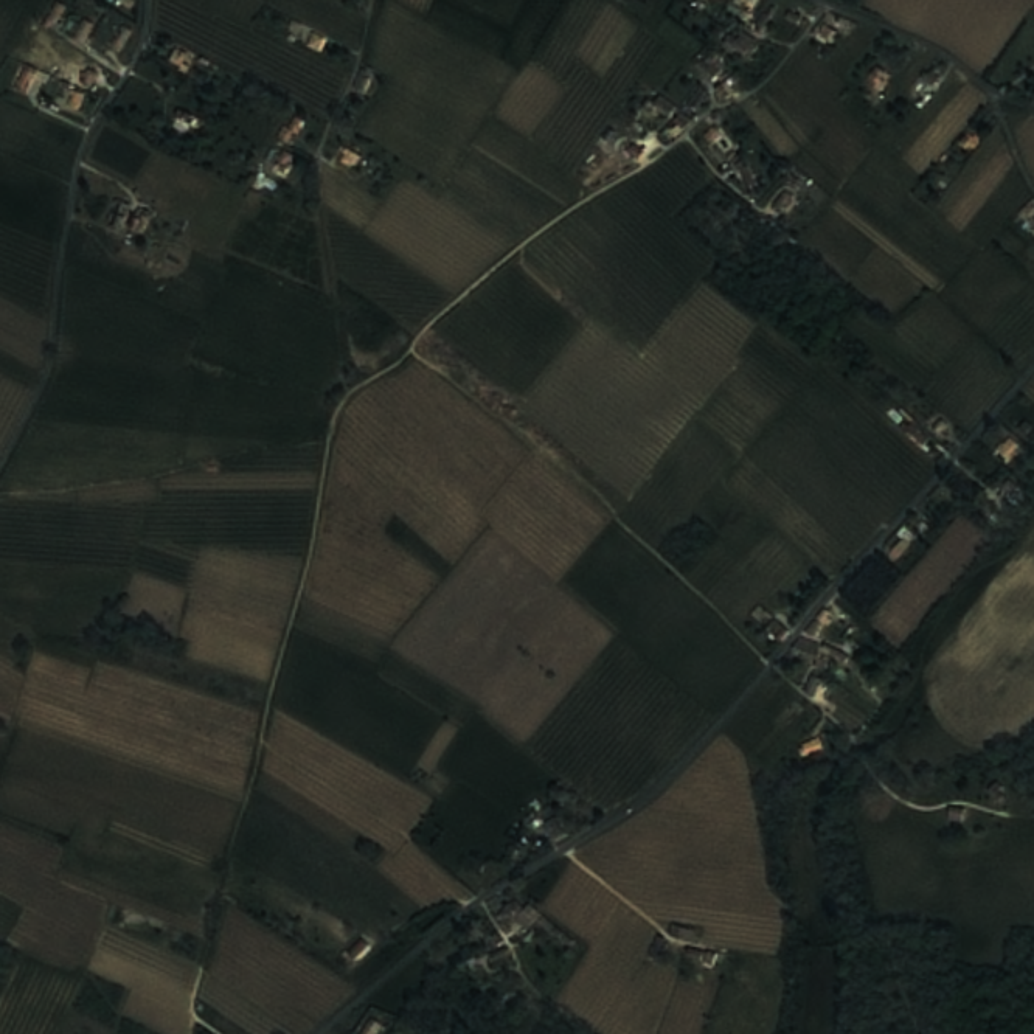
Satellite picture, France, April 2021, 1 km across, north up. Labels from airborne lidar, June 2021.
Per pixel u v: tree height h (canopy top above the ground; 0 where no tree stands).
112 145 0
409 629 0
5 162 0
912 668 8
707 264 0
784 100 0
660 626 0
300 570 0
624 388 0
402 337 0
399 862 0
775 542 0
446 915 6
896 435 0
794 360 0
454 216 0
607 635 0
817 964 0
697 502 0
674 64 0
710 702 0
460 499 0
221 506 0
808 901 0
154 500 0
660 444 0
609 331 0
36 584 0
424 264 0
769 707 0
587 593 0
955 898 0
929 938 15
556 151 0
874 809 0
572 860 0
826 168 0
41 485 0
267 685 0
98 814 0
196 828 0
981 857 0
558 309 0
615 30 0
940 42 0
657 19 0
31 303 0
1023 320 0
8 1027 0
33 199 0
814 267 18
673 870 0
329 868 0
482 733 0
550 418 0
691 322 0
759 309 8
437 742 0
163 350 0
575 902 0
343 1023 0
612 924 0
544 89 0
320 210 16
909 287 0
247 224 0
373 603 0
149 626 17
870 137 0
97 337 0
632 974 0
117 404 0
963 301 0
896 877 0
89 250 0
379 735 0
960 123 0
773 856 22
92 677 0
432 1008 16
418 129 0
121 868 0
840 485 0
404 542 0
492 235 0
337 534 0
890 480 0
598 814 9
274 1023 0
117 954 0
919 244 0
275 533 0
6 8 0
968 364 0
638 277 0
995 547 9
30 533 0
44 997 0
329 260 0
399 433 0
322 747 0
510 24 0
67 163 0
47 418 0
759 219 6
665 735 0
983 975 7
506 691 0
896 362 0
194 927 0
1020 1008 19
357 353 0
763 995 0
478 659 0
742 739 0
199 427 0
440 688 0
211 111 11
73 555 0
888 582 10
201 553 0
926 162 0
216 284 0
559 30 0
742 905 0
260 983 0
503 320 0
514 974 16
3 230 0
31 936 0
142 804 0
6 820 0
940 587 0
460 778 0
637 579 0
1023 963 9
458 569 0
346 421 0
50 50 0
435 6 0
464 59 0
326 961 0
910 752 0
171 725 0
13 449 0
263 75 0
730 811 0
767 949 0
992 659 0
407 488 0
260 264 0
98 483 0
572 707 0
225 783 0
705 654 0
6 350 0
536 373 0
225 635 0
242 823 0
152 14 0
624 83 0
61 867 0
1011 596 0
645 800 0
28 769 0
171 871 0
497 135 0
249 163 9
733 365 0
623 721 0
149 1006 0
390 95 0
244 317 0
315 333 0
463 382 0
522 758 0
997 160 0
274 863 0
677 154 0
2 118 0
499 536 0
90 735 0
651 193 0
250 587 0
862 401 0
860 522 0
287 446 0
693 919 0
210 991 0
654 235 0
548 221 0
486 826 0
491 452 0
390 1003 0
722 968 0
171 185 0
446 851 0
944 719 0
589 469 0
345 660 0
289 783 0
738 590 0
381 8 0
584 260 0
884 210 0
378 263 0
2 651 0
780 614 0
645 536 0
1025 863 0
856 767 18
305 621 0
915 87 0
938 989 13
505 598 0
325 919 0
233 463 0
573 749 0
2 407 0
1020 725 0
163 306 0
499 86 0
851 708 0
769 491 0
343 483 0
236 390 0
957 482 12
